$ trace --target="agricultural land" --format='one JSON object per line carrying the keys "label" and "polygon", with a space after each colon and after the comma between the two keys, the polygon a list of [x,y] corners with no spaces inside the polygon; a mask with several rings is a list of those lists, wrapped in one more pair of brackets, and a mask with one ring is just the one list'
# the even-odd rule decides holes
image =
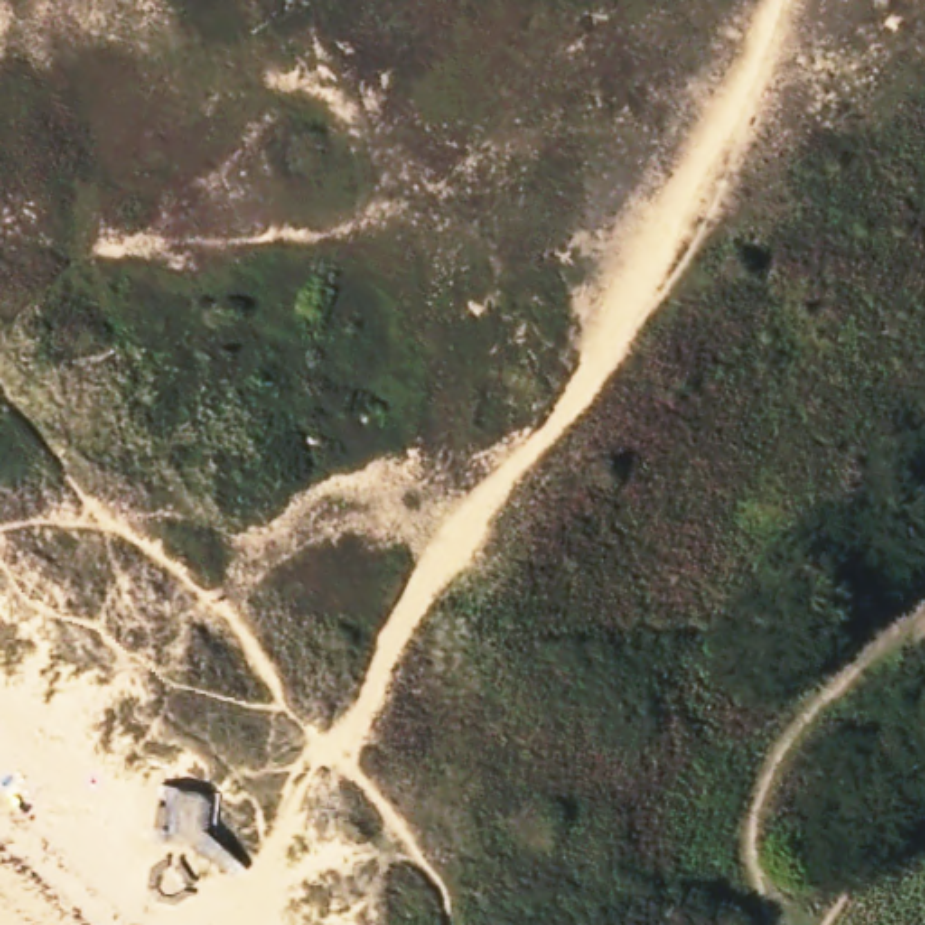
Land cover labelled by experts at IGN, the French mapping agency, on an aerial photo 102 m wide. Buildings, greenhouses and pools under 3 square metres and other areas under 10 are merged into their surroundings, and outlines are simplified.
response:
{"label": "agricultural land", "polygon": [[831,900],[820,925],[925,925],[925,860],[907,874],[885,874],[874,889],[860,896]]}

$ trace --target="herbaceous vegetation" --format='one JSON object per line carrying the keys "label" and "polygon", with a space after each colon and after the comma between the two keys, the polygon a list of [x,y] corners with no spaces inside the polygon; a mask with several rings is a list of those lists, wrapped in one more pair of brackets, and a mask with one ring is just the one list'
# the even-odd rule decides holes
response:
{"label": "herbaceous vegetation", "polygon": [[36,517],[47,506],[43,491],[65,491],[61,459],[40,437],[40,426],[18,405],[7,401],[7,394],[0,397],[0,520]]}
{"label": "herbaceous vegetation", "polygon": [[455,889],[455,911],[444,914],[437,885],[416,864],[408,864],[387,867],[387,885],[379,900],[383,925],[748,925],[733,907],[708,900],[708,885],[712,878],[726,878],[730,885],[744,889],[748,882],[744,817],[770,748],[795,715],[780,705],[755,701],[744,683],[733,683],[719,668],[719,636],[730,629],[730,614],[744,607],[744,589],[762,571],[770,542],[788,528],[799,528],[802,513],[817,509],[817,502],[846,502],[864,470],[871,470],[878,481],[889,477],[900,463],[892,419],[900,412],[918,412],[925,419],[925,0],[802,0],[799,14],[791,18],[791,33],[806,58],[838,51],[835,69],[820,79],[802,79],[777,90],[777,105],[762,112],[762,130],[752,137],[744,152],[741,184],[730,192],[694,264],[672,285],[672,293],[650,311],[625,361],[607,376],[593,405],[509,488],[502,509],[491,520],[484,549],[473,556],[470,571],[459,571],[448,582],[448,589],[426,607],[423,621],[405,643],[401,661],[390,672],[390,697],[372,719],[372,741],[361,748],[361,770],[376,777],[383,795],[419,835],[423,853],[444,871],[444,878]]}
{"label": "herbaceous vegetation", "polygon": [[824,654],[824,668],[831,676],[842,672],[882,629],[911,614],[925,600],[925,567],[914,571],[907,582],[892,578],[882,593],[882,611],[867,611],[864,629],[849,640],[849,647]]}
{"label": "herbaceous vegetation", "polygon": [[780,907],[780,925],[820,925],[831,900],[820,889],[802,885],[802,878],[788,867],[788,842],[820,842],[820,809],[813,806],[813,788],[820,766],[827,762],[827,748],[838,737],[856,737],[860,719],[892,723],[896,712],[907,705],[903,690],[892,679],[900,650],[885,654],[874,668],[867,668],[860,683],[835,705],[827,705],[820,719],[809,726],[809,733],[791,748],[759,831],[759,856],[770,874],[759,892]]}
{"label": "herbaceous vegetation", "polygon": [[289,564],[275,567],[260,585],[253,585],[249,625],[264,654],[275,661],[289,701],[322,701],[322,726],[332,730],[332,723],[361,694],[379,629],[405,596],[405,585],[416,567],[408,546],[383,546],[369,535],[343,535],[336,542],[300,549]]}
{"label": "herbaceous vegetation", "polygon": [[[712,65],[715,33],[748,0],[159,0],[152,11],[137,11],[134,4],[108,7],[105,22],[76,51],[72,61],[51,61],[36,69],[29,54],[0,54],[0,336],[7,336],[11,329],[25,329],[36,340],[36,361],[61,365],[72,372],[76,383],[98,387],[90,430],[72,430],[65,444],[98,470],[119,473],[126,484],[145,488],[148,509],[137,509],[145,531],[166,546],[170,556],[184,560],[202,585],[217,589],[228,578],[235,535],[275,520],[293,495],[307,491],[311,484],[332,473],[354,473],[372,459],[397,459],[408,448],[419,452],[430,455],[441,448],[459,448],[473,455],[517,430],[546,426],[546,419],[553,416],[560,394],[578,372],[582,322],[571,311],[571,293],[600,275],[596,260],[582,257],[571,235],[614,231],[621,210],[636,195],[636,184],[650,166],[650,155],[665,141],[668,116],[679,108],[679,98],[687,94],[687,83]],[[354,72],[365,83],[379,79],[379,72],[390,72],[390,90],[379,101],[387,134],[347,137],[343,123],[329,112],[325,101],[267,87],[267,72],[289,72],[296,58],[311,51],[311,29],[318,29],[322,43],[354,43],[354,54],[340,54],[329,65],[332,72]],[[452,188],[452,195],[437,199],[426,192],[416,206],[416,228],[405,228],[397,217],[390,217],[383,228],[354,231],[332,242],[267,242],[242,249],[192,246],[184,235],[253,235],[275,224],[314,231],[347,220],[372,199],[379,173],[369,152],[401,145],[416,163],[426,163],[434,177]],[[112,238],[116,231],[163,235],[166,246],[188,260],[188,267],[173,271],[159,257],[101,257],[94,249],[98,238]]]}

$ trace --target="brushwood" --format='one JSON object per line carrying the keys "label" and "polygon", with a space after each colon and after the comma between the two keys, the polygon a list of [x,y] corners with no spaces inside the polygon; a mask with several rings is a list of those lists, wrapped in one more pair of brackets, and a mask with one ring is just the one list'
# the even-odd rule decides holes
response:
{"label": "brushwood", "polygon": [[730,885],[726,878],[712,878],[708,885],[708,900],[733,907],[748,925],[780,925],[780,907],[759,892],[748,882],[744,889]]}

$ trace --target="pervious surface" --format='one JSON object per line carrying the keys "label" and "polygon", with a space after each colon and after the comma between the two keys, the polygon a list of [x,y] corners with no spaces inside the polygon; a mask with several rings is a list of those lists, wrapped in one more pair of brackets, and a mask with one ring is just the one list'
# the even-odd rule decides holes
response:
{"label": "pervious surface", "polygon": [[332,242],[354,231],[383,228],[390,217],[397,217],[405,202],[372,199],[347,220],[314,231],[275,224],[253,235],[184,235],[192,246],[242,249],[267,242]]}
{"label": "pervious surface", "polygon": [[882,629],[842,672],[831,676],[817,694],[802,697],[802,708],[795,715],[770,748],[744,817],[748,882],[759,892],[770,874],[759,856],[759,831],[791,748],[809,733],[809,726],[820,719],[827,705],[835,705],[860,683],[867,668],[874,668],[885,654],[900,650],[903,643],[925,640],[925,600],[911,614]]}
{"label": "pervious surface", "polygon": [[325,101],[329,112],[343,123],[347,137],[387,134],[379,101],[390,90],[390,72],[379,72],[379,79],[365,83],[354,72],[332,72],[329,65],[340,54],[354,54],[354,43],[322,43],[318,29],[311,29],[311,51],[296,58],[289,72],[267,72],[267,87]]}
{"label": "pervious surface", "polygon": [[369,535],[383,546],[408,546],[416,567],[405,585],[405,596],[379,629],[361,694],[332,723],[332,730],[322,726],[311,723],[304,730],[304,752],[289,762],[285,784],[300,788],[300,795],[311,799],[318,791],[318,766],[340,770],[372,802],[372,809],[383,820],[383,831],[405,846],[408,864],[416,864],[437,885],[444,914],[455,911],[455,889],[444,878],[444,871],[423,853],[419,835],[383,795],[376,777],[361,770],[361,748],[372,741],[372,719],[390,697],[390,672],[401,661],[405,643],[423,621],[426,607],[448,589],[448,582],[459,571],[470,571],[473,556],[484,549],[491,520],[502,509],[509,488],[593,405],[607,376],[625,361],[650,311],[672,293],[672,285],[694,264],[730,192],[741,184],[744,152],[752,137],[762,130],[762,112],[777,105],[777,90],[802,79],[820,79],[835,69],[838,51],[806,58],[791,33],[791,18],[799,14],[802,0],[759,0],[748,33],[748,51],[730,72],[723,94],[701,112],[701,123],[694,126],[668,188],[654,199],[636,195],[621,210],[614,231],[571,235],[582,257],[596,260],[600,275],[571,293],[571,311],[582,322],[578,372],[560,394],[553,416],[546,419],[546,426],[517,430],[473,455],[481,459],[488,477],[470,495],[455,491],[452,499],[405,509],[405,491],[419,473],[419,452],[408,448],[397,459],[372,459],[354,473],[332,473],[311,484],[307,491],[293,495],[275,520],[235,535],[228,578],[217,589],[202,585],[184,560],[170,556],[166,546],[145,531],[137,509],[123,502],[101,502],[94,495],[83,499],[83,506],[47,506],[36,517],[0,520],[0,621],[14,625],[22,640],[33,640],[33,654],[47,661],[40,672],[43,701],[58,697],[61,679],[76,679],[83,672],[94,672],[94,683],[105,690],[112,705],[123,697],[152,701],[152,690],[145,683],[148,676],[159,676],[166,690],[184,690],[184,654],[192,643],[192,629],[199,621],[206,621],[213,632],[228,632],[228,640],[242,647],[249,668],[271,690],[271,712],[285,712],[289,701],[275,661],[264,654],[249,625],[253,585],[260,585],[275,567],[289,564],[300,549],[336,542],[343,535]]}
{"label": "pervious surface", "polygon": [[94,249],[101,257],[159,257],[173,271],[188,267],[188,260],[166,246],[163,235],[116,231],[112,238],[98,238]]}

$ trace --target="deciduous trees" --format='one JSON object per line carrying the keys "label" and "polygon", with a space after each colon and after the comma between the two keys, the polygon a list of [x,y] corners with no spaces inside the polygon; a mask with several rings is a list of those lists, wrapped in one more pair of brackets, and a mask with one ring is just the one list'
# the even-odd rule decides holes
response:
{"label": "deciduous trees", "polygon": [[802,878],[802,885],[820,889],[831,900],[860,896],[874,889],[885,874],[907,874],[925,860],[925,640],[903,643],[900,650],[892,679],[903,690],[907,705],[896,712],[892,723],[860,719],[856,737],[838,737],[827,748],[827,762],[820,766],[813,788],[813,806],[820,809],[820,842],[788,842],[788,867]]}
{"label": "deciduous trees", "polygon": [[817,502],[817,509],[802,513],[799,528],[788,528],[770,542],[762,571],[744,589],[744,607],[730,614],[730,629],[719,636],[719,668],[733,683],[744,683],[755,701],[780,705],[795,715],[802,708],[802,697],[817,694],[831,676],[824,668],[824,654],[849,647],[849,640],[864,629],[867,611],[882,611],[882,593],[892,578],[907,582],[914,571],[925,567],[925,419],[918,412],[900,412],[892,419],[900,463],[889,477],[878,481],[871,470],[864,470],[846,502]]}

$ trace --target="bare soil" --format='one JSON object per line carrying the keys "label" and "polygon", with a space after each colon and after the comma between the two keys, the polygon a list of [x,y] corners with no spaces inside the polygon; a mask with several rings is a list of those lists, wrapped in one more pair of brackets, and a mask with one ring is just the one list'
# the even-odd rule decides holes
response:
{"label": "bare soil", "polygon": [[0,54],[29,54],[36,69],[51,61],[72,61],[76,51],[105,22],[108,7],[134,4],[137,11],[152,11],[159,0],[0,0]]}
{"label": "bare soil", "polygon": [[249,668],[242,647],[228,640],[228,632],[213,632],[206,621],[199,621],[192,629],[192,643],[184,654],[184,690],[166,690],[159,676],[148,676],[145,683],[152,690],[152,701],[123,697],[112,705],[105,690],[94,683],[94,672],[83,672],[76,679],[61,679],[58,697],[43,701],[40,672],[47,661],[33,654],[33,640],[22,640],[14,625],[0,621],[0,925],[383,925],[379,900],[387,885],[387,867],[408,864],[405,846],[383,831],[383,820],[372,809],[372,802],[340,770],[318,766],[318,791],[311,799],[300,795],[300,788],[285,784],[289,762],[304,752],[304,730],[311,723],[322,726],[322,701],[289,701],[285,712],[271,712],[271,690]]}
{"label": "bare soil", "polygon": [[98,387],[76,383],[72,372],[61,365],[36,361],[36,340],[25,329],[11,329],[7,336],[0,336],[0,397],[7,394],[7,401],[18,405],[40,426],[40,437],[61,459],[65,491],[43,491],[47,506],[83,506],[83,499],[94,495],[101,502],[123,502],[137,509],[148,509],[145,488],[126,484],[119,473],[98,470],[65,444],[72,430],[90,430]]}
{"label": "bare soil", "polygon": [[405,228],[416,228],[416,206],[426,192],[437,199],[452,195],[452,188],[434,177],[426,163],[416,163],[401,145],[369,152],[379,173],[372,199],[405,202],[397,217]]}
{"label": "bare soil", "polygon": [[679,98],[679,108],[668,116],[665,141],[650,155],[650,166],[636,184],[636,195],[654,199],[668,188],[694,126],[701,123],[701,112],[723,94],[730,72],[748,51],[748,33],[759,0],[748,0],[715,33],[712,65],[687,83],[687,94]]}
{"label": "bare soil", "polygon": [[419,473],[405,491],[405,509],[452,499],[455,491],[470,495],[488,477],[481,459],[473,455],[459,448],[441,448],[430,455],[419,452]]}

